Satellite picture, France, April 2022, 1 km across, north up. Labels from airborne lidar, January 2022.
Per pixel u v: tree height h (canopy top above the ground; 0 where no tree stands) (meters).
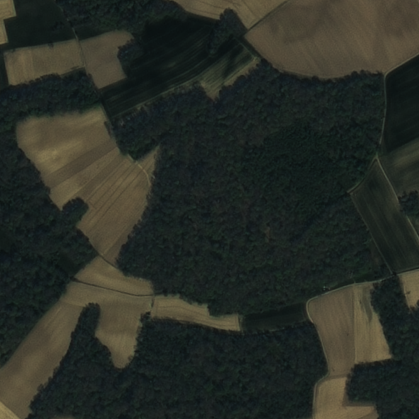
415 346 34
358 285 0
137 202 0
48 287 33
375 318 0
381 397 34
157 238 26
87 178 0
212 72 0
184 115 36
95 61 0
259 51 0
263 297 32
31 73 0
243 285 37
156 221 33
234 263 38
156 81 0
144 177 0
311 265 29
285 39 0
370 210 0
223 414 26
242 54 0
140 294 0
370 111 35
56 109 30
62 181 0
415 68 0
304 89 34
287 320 0
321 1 0
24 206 20
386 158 0
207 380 28
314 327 27
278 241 34
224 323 0
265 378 33
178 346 30
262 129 33
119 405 34
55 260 9
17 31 0
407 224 0
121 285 0
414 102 0
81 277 0
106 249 0
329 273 30
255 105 32
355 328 0
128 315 0
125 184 0
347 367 0
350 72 0
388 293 30
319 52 0
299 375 33
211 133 35
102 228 0
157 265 29
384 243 0
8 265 28
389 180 0
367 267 28
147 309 0
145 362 14
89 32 0
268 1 0
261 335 26
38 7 0
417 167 0
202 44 0
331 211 31
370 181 0
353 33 0
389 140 0
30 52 0
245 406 25
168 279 34
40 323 0
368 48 0
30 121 0
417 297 0
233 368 33
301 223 21
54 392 31
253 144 20
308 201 18
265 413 29
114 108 0
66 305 0
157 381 33
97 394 31
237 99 31
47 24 0
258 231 37
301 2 0
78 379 37
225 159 36
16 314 36
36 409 21
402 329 27
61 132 0
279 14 0
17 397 0
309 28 0
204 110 30
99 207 0
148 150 24
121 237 0
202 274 38
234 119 36
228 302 33
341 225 35
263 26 0
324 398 0
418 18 0
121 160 0
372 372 23
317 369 30
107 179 0
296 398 28
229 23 24
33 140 0
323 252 32
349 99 36
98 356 24
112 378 30
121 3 24
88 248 24
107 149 0
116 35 0
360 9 0
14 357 0
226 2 0
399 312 31
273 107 34
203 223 39
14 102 35
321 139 23
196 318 0
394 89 0
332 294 0
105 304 0
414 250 0
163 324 26
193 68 0
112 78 0
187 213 29
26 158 33
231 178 31
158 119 32
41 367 0
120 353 0
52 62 0
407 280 0
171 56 0
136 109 0
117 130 24
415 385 34
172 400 31
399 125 0
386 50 0
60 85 24
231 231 32
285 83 28
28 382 0
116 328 0
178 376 29
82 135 0
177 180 32
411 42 0
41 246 34
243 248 29
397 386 31
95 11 25
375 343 0
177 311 0
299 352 33
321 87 29
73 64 0
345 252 33
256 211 29
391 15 0
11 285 36
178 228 35
